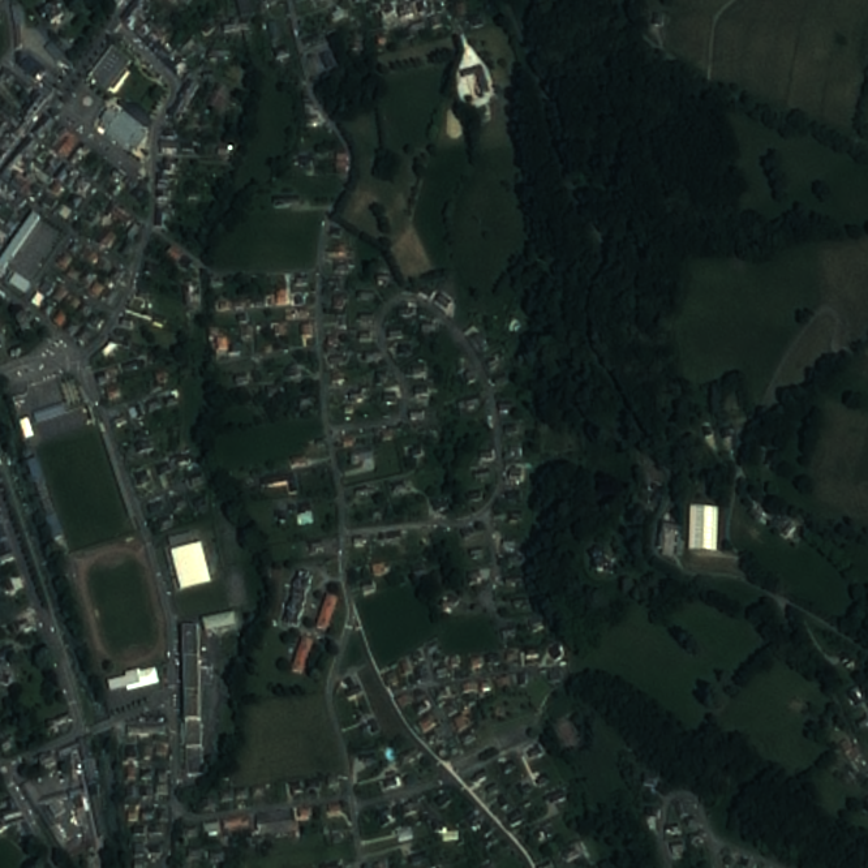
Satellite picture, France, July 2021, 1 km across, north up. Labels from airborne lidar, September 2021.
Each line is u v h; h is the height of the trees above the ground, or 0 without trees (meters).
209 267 11
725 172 29
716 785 24
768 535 0
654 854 7
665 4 12
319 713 0
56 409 0
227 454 0
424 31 7
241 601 0
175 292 6
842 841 20
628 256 28
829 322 0
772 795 24
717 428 6
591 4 19
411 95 0
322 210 0
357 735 0
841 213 0
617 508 27
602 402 30
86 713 0
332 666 0
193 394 0
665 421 22
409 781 13
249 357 0
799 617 20
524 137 34
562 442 0
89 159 6
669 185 24
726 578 0
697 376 0
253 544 29
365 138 0
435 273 14
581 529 33
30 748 21
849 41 0
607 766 0
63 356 0
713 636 0
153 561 0
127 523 0
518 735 0
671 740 25
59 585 18
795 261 0
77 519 0
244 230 0
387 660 0
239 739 14
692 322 0
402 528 0
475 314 8
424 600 13
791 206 0
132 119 0
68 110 0
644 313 33
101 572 0
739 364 0
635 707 21
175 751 0
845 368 23
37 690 0
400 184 0
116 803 14
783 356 0
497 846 8
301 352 8
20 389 0
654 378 21
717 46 0
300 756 0
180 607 0
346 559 0
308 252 0
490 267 0
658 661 0
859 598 19
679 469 33
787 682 0
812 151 0
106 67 0
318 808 6
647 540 14
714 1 0
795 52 0
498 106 0
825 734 19
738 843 0
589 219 26
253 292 11
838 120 0
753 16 0
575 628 29
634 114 34
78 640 17
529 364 29
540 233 18
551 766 0
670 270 18
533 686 0
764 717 0
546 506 22
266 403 7
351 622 0
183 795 16
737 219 24
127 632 0
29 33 0
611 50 24
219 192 19
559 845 11
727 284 0
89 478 0
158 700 0
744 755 26
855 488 0
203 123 15
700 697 0
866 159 18
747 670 19
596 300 30
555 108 25
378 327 0
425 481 0
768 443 18
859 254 0
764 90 0
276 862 0
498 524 0
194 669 0
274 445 0
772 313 0
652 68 24
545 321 29
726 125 30
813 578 0
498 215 0
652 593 14
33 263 0
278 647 0
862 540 15
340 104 11
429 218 0
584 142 28
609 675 16
